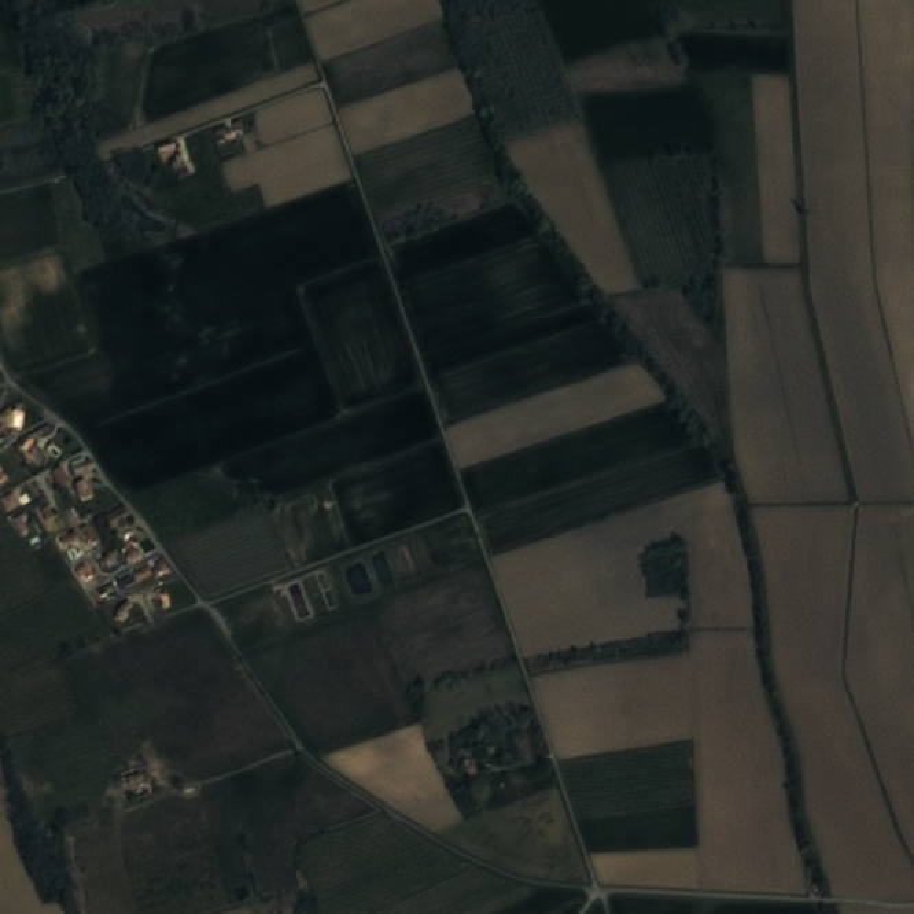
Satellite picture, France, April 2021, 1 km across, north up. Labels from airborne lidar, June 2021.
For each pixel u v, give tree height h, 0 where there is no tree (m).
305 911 8
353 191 0
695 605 0
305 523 0
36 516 0
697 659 0
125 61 0
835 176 0
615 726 0
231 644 0
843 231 0
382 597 0
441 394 0
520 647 0
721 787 0
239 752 0
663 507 0
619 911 0
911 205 0
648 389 0
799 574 0
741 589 0
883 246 0
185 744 0
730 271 0
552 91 24
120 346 0
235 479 0
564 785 0
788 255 0
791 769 12
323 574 0
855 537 0
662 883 0
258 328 0
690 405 11
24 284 0
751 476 0
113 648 0
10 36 0
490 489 0
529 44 23
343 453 0
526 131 26
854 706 0
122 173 21
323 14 0
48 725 0
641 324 0
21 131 0
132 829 0
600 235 0
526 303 0
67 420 0
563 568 0
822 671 0
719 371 0
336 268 0
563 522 0
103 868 0
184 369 0
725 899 0
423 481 0
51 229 0
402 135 0
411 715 0
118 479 0
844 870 0
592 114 0
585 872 0
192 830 0
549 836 0
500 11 21
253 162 0
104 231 11
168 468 0
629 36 0
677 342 0
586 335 0
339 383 0
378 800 0
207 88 0
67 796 0
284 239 0
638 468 0
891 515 0
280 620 0
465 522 0
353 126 0
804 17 0
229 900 0
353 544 0
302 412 0
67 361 0
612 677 0
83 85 20
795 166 0
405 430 0
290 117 0
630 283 0
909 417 0
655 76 0
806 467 0
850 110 0
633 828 0
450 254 0
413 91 0
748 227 0
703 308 9
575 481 0
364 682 0
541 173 0
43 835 23
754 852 0
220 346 0
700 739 0
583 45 0
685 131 0
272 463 0
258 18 0
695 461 0
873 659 0
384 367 0
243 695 0
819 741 0
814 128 0
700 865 0
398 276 0
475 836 0
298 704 0
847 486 0
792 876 0
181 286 0
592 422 0
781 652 0
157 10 0
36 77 20
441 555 0
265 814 0
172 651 0
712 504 0
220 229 0
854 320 0
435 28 0
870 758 0
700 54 0
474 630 0
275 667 0
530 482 0
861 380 0
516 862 0
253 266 0
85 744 0
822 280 0
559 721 0
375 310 0
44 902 11
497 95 21
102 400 0
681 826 0
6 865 0
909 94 0
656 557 6
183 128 0
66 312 0
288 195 0
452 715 0
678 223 13
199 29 23
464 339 0
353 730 0
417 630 0
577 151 0
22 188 0
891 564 0
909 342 0
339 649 0
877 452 0
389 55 0
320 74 0
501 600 0
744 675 0
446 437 0
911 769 0
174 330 0
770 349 0
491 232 0
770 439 0
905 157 0
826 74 0
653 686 0
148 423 0
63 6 0
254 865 0
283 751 0
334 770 0
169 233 0
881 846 0
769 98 0
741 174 0
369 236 0
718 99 0
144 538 0
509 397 0
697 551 0
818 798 0
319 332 0
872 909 0
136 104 0
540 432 0
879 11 0
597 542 0
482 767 7
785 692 0
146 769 7
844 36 0
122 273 0
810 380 0
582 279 15
